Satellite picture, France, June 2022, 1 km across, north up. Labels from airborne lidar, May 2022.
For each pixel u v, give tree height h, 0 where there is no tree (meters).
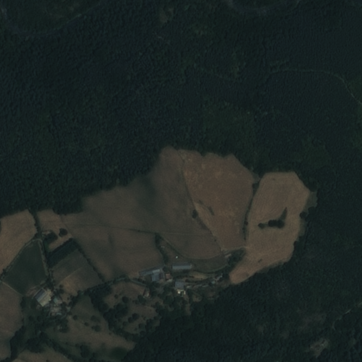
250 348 19
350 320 30
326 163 12
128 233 0
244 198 0
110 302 0
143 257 0
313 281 17
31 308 0
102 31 13
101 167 12
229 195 0
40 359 0
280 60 24
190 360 30
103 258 0
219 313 10
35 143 21
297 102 23
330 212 21
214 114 15
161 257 0
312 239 16
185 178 0
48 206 16
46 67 29
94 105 10
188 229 0
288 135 19
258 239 0
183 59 11
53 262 19
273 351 25
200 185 0
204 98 19
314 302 8
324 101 22
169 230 0
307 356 21
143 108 18
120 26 9
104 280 8
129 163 22
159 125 8
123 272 0
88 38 10
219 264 0
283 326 12
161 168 0
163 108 18
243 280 0
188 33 22
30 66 27
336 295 12
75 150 11
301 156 12
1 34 11
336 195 16
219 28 23
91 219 0
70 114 14
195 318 16
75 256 0
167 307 7
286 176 0
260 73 21
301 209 0
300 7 17
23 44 18
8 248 0
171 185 0
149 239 0
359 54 21
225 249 0
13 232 0
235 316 15
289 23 24
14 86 43
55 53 28
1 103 39
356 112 9
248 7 24
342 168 19
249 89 22
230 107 11
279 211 0
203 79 23
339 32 22
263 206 0
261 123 19
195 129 16
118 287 0
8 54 22
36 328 10
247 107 26
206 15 15
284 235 0
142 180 0
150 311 0
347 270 21
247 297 18
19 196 19
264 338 16
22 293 0
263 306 17
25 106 39
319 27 23
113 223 0
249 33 25
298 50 22
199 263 0
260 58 20
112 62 11
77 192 11
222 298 11
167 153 0
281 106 23
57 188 13
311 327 7
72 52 20
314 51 23
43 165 19
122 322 9
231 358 25
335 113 22
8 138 16
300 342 24
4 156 14
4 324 0
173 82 20
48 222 0
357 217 20
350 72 20
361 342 7
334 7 17
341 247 13
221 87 20
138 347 11
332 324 17
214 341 15
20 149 22
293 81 22
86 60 30
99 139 15
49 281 11
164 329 16
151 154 22
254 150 12
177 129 23
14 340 17
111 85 27
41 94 37
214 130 9
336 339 14
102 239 0
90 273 0
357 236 18
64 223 0
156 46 11
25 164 20
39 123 14
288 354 13
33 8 10
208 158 0
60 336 0
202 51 24
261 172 13
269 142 21
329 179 18
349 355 33
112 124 25
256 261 0
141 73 9
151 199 0
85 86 23
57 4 10
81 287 0
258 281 24
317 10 27
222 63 22
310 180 17
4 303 0
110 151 21
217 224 0
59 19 15
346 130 16
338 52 23
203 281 6
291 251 0
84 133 17
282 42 22
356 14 22
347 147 19
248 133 14
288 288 16
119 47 15
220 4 11
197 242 0
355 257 22
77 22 13
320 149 13
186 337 20
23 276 0
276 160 19
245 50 24
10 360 13
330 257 13
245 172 0
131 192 0
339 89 18
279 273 19
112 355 0
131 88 7
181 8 23
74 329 0
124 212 0
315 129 21
